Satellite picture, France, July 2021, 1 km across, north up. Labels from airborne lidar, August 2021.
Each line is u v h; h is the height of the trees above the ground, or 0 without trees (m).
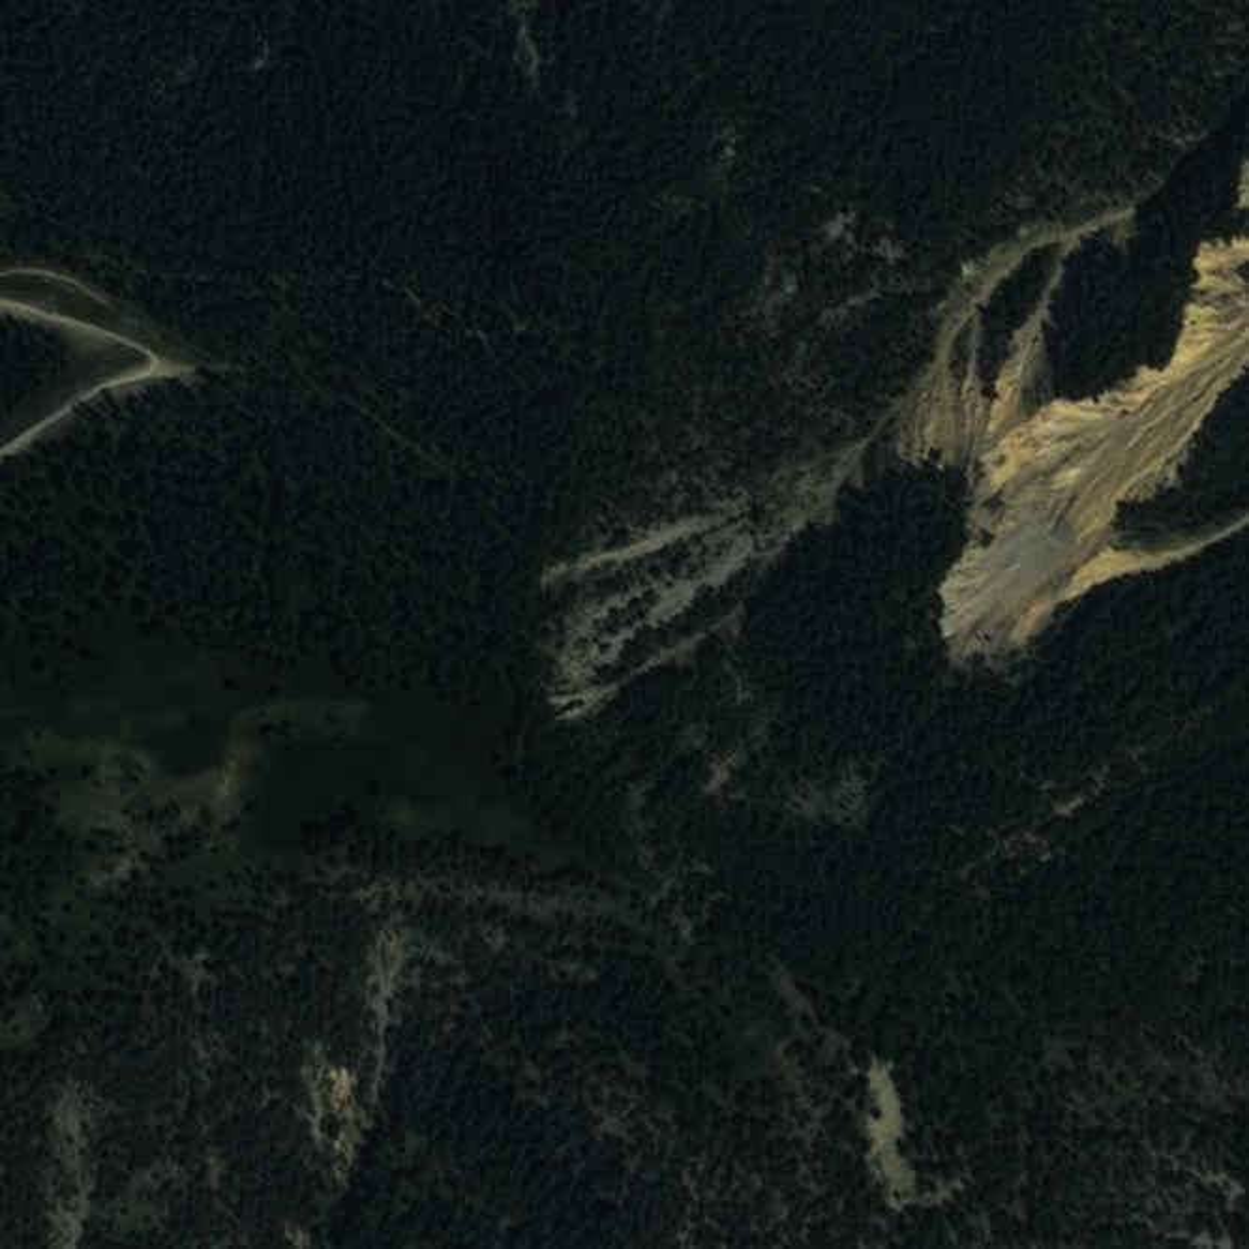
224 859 0
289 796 0
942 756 29
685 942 9
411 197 22
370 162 18
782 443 12
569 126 8
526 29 10
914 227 23
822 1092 15
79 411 0
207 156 19
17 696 0
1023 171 9
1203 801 27
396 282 17
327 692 0
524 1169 19
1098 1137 22
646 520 9
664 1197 11
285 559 29
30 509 19
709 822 21
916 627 15
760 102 18
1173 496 12
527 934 15
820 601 24
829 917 26
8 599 20
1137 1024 17
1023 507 0
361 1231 29
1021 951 17
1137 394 0
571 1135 18
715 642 12
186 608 23
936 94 18
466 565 31
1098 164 11
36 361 26
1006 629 0
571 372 15
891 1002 24
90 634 0
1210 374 0
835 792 8
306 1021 13
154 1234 9
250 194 16
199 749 0
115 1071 14
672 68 12
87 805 0
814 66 22
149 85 13
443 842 8
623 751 19
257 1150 13
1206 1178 9
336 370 21
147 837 0
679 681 16
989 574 0
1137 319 20
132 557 24
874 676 24
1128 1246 7
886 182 19
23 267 0
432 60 23
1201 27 13
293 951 12
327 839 17
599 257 14
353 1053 8
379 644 24
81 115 22
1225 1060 9
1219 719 13
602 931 8
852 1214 16
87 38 19
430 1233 19
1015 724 25
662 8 9
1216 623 27
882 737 22
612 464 25
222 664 0
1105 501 0
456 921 9
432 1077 18
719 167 18
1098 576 0
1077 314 21
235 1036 6
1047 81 18
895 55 17
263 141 22
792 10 22
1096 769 16
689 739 7
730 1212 8
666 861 17
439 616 28
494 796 0
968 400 0
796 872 24
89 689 0
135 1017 14
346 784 0
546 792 19
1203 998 28
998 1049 20
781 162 16
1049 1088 21
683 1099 20
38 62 19
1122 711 21
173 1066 11
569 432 22
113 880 0
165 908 10
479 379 20
